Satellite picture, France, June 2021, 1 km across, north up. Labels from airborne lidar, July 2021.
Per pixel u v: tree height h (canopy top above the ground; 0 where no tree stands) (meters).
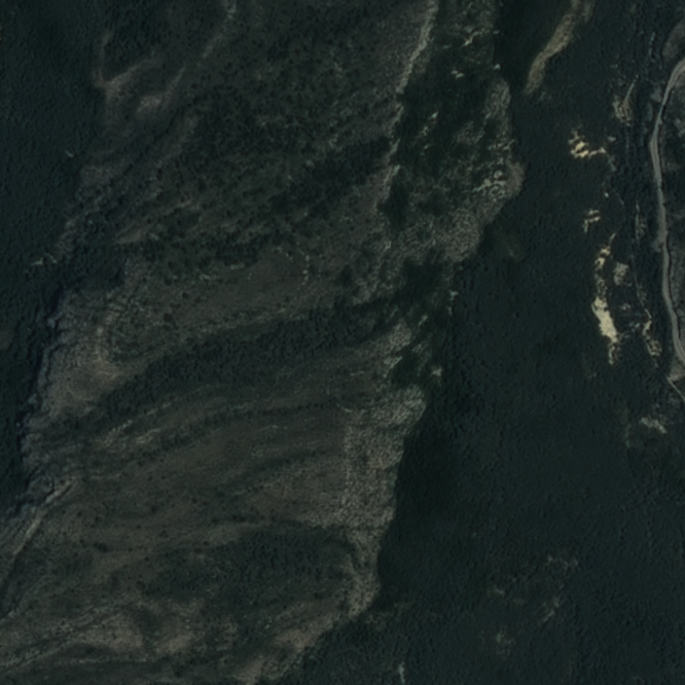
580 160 9
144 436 0
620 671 8
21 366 11
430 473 14
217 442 0
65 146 11
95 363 0
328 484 0
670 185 9
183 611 0
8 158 6
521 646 7
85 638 0
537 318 15
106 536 0
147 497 0
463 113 7
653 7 11
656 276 9
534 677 12
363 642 8
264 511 0
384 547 10
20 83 7
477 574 16
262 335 6
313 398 0
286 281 0
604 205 6
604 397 9
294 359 10
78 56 9
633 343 7
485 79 6
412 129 9
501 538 10
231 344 9
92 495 0
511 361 15
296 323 9
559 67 11
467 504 11
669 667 11
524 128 14
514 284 20
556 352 15
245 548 9
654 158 0
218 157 6
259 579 7
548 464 15
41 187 12
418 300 7
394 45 0
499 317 18
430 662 6
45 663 0
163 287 0
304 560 8
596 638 8
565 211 8
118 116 0
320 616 0
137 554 0
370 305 9
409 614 8
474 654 10
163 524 0
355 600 0
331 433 0
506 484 16
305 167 6
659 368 7
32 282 12
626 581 10
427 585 12
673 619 8
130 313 0
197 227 0
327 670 11
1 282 14
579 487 13
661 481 8
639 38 9
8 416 13
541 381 14
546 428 17
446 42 7
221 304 0
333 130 7
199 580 10
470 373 18
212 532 0
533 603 8
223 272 0
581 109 10
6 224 13
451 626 9
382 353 0
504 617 7
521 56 13
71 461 0
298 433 0
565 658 9
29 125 8
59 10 13
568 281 11
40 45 7
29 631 0
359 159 8
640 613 7
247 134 7
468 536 9
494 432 17
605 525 12
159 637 0
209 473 0
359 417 0
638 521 10
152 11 8
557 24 0
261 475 0
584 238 7
